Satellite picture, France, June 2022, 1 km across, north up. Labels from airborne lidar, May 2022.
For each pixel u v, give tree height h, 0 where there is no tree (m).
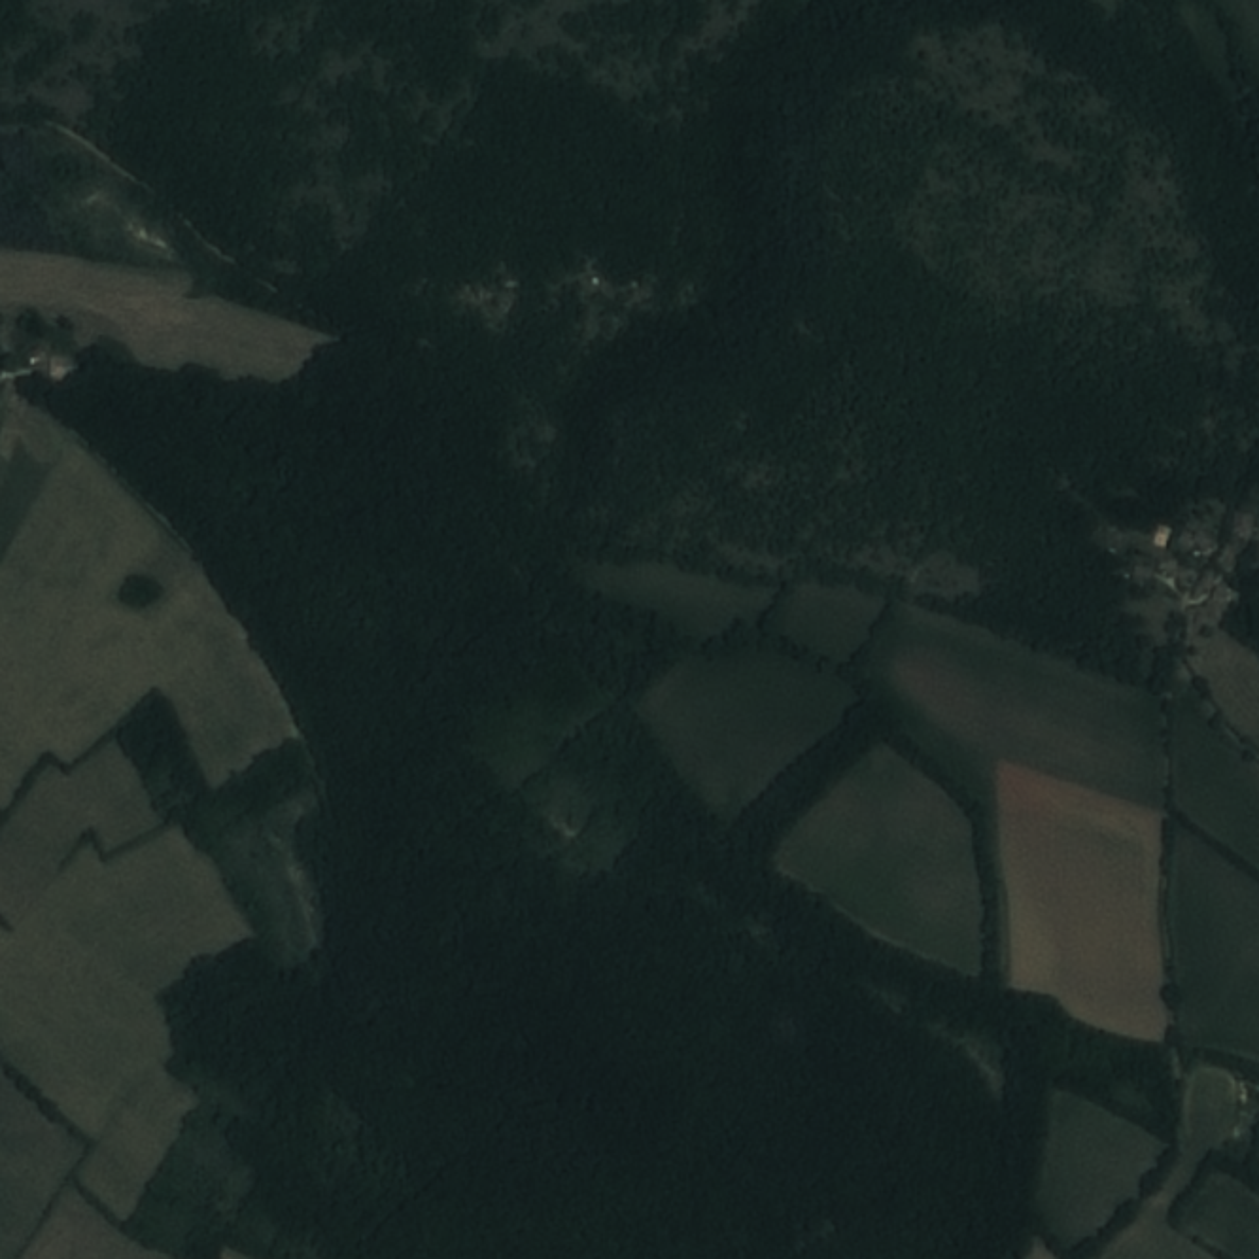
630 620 19
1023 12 11
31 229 18
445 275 11
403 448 20
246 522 13
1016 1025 16
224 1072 14
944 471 11
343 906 17
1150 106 10
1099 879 0
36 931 0
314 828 11
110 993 0
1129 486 10
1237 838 0
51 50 7
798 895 15
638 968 19
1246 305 9
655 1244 14
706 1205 19
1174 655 12
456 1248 13
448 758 19
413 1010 21
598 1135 20
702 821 16
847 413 12
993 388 12
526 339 11
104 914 0
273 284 9
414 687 15
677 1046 18
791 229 8
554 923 15
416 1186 13
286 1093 15
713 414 9
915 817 0
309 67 12
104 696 0
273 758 12
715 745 0
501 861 13
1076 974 0
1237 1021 0
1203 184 10
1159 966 0
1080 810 0
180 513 10
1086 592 13
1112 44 9
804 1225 13
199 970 17
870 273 12
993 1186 18
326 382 24
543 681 17
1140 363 14
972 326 10
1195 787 0
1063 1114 0
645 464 10
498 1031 19
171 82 13
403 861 16
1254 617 14
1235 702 0
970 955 0
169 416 18
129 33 9
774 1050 17
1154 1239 0
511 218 11
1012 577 9
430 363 18
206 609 0
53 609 0
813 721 0
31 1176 0
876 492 13
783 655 11
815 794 14
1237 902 0
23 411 0
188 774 13
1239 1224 0
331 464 19
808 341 11
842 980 15
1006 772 0
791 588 15
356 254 9
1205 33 0
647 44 8
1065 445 16
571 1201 17
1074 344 8
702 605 0
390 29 13
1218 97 14
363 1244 13
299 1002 18
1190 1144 0
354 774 13
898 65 10
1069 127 11
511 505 14
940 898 0
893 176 8
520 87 9
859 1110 17
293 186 7
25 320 9
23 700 0
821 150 8
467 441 18
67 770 12
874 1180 9
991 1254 18
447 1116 18
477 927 15
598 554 12
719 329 10
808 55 14
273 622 15
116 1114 0
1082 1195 0
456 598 16
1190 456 11
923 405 13
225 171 9
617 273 11
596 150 12
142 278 0
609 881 13
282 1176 12
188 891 0
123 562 0
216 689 0
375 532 17
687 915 15
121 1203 0
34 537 0
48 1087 0
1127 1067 10
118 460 9
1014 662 0
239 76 11
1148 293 7
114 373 18
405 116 9
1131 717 0
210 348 0
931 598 8
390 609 13
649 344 14
